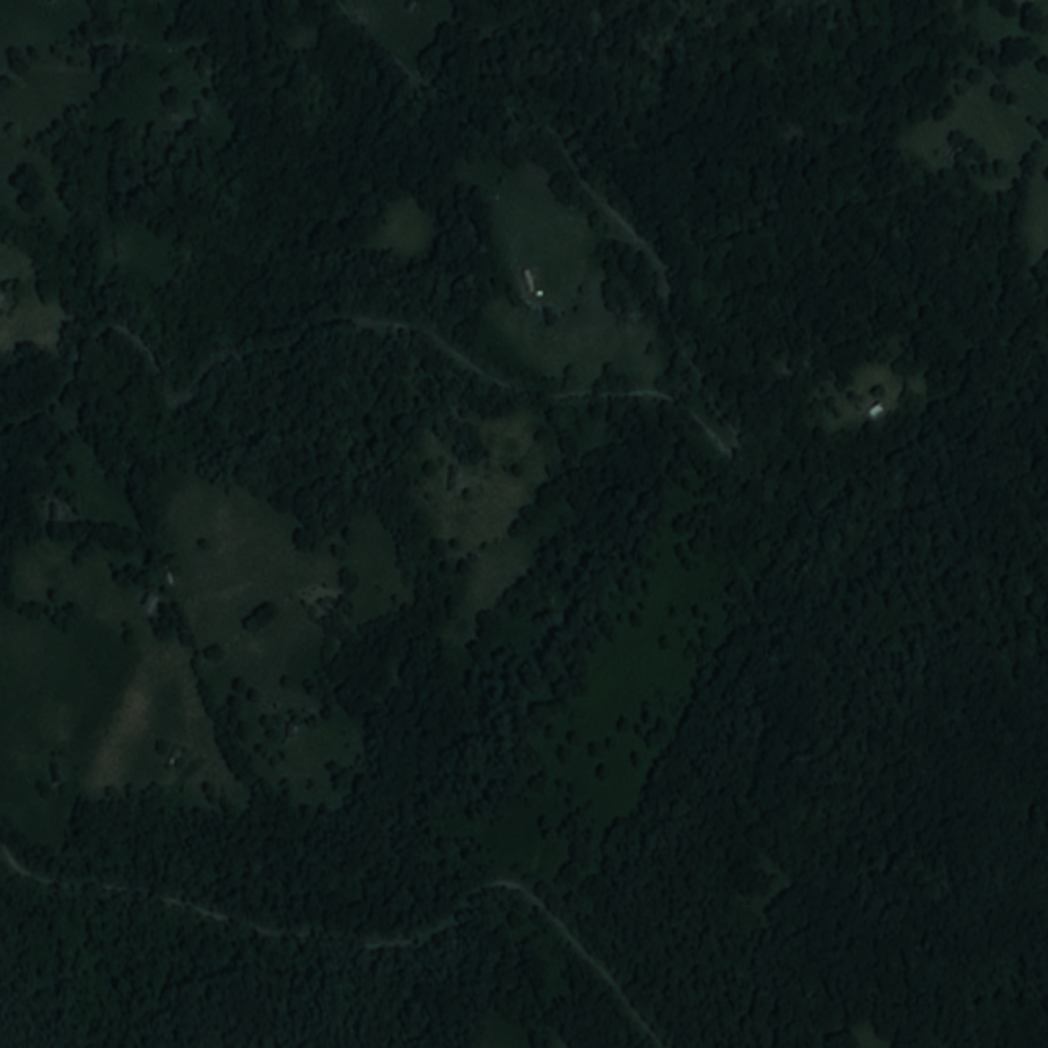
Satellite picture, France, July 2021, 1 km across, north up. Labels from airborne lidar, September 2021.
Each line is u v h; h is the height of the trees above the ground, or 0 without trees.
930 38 21
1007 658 30
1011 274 10
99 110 12
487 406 18
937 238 30
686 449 18
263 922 11
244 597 0
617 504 26
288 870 9
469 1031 28
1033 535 11
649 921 25
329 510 22
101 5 15
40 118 0
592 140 23
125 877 13
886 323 19
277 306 21
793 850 10
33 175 22
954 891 8
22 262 0
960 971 29
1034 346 19
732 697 18
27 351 18
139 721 0
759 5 6
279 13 17
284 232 11
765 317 11
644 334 0
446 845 26
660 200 29
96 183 11
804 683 27
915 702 22
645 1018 8
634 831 21
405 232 0
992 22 0
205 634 0
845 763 13
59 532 19
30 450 22
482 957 20
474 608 0
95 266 8
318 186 12
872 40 18
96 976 14
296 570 0
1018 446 9
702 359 18
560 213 0
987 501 22
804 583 25
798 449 6
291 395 21
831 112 13
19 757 0
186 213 12
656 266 9
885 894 23
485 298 23
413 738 24
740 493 9
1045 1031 27
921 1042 15
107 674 0
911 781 22
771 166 27
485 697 11
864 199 11
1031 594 26
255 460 22
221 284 12
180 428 10
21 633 0
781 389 24
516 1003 19
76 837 12
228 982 32
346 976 20
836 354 21
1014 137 0
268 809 11
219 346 14
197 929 13
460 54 21
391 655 21
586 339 0
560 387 6
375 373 24
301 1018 23
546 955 10
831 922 27
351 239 16
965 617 12
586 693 18
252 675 0
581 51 21
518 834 0
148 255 0
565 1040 12
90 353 27
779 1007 22
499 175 0
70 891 10
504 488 0
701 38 11
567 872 14
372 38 13
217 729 9
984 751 27
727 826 25
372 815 23
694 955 20
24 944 10
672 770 26
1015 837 30
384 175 19
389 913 14
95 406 9
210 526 0
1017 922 22
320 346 23
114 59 20
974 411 27
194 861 18
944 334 8
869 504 10
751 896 8
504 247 0
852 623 20
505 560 0
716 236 9
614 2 14
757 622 23
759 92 23
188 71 0
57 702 0
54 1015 12
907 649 8
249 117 14
